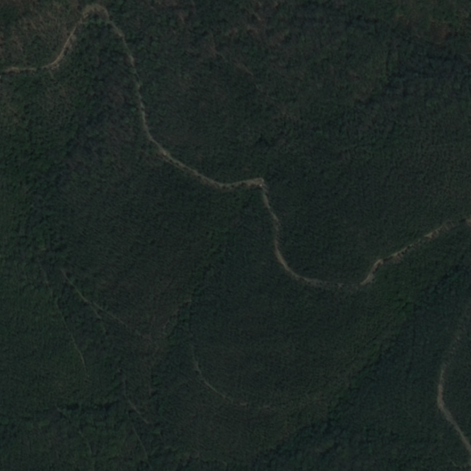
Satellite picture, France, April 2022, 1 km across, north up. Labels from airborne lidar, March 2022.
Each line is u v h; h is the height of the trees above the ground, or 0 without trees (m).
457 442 20
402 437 24
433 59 19
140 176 19
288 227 19
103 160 29
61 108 20
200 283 21
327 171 15
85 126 32
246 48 26
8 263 26
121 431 27
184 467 13
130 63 28
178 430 20
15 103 27
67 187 25
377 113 27
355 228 21
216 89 20
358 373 16
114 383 22
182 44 20
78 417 28
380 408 18
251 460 22
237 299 18
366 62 22
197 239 18
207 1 22
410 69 29
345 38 32
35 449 18
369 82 27
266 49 21
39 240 15
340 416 18
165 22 15
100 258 22
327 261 15
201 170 17
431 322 20
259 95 18
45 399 24
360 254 18
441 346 19
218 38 21
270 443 19
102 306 15
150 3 10
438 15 14
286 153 24
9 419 15
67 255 24
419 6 20
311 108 18
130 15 27
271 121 21
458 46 24
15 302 21
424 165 9
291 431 22
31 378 20
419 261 22
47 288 24
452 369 16
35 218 23
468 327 15
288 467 28
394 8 23
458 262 18
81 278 24
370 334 15
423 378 17
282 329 16
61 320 20
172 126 15
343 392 20
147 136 14
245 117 20
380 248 21
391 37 21
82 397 22
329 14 32
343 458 29
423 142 10
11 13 11
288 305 17
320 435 25
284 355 17
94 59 34
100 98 23
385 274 7
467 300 18
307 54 17
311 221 16
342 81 23
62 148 19
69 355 21
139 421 18
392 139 17
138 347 18
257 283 19
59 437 27
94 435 26
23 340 18
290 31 28
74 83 16
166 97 23
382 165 12
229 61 20
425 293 19
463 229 21
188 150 19
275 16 26
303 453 26
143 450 24
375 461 29
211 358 15
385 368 22
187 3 22
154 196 20
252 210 31
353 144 18
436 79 27
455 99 24
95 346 22
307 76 19
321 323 18
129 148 22
